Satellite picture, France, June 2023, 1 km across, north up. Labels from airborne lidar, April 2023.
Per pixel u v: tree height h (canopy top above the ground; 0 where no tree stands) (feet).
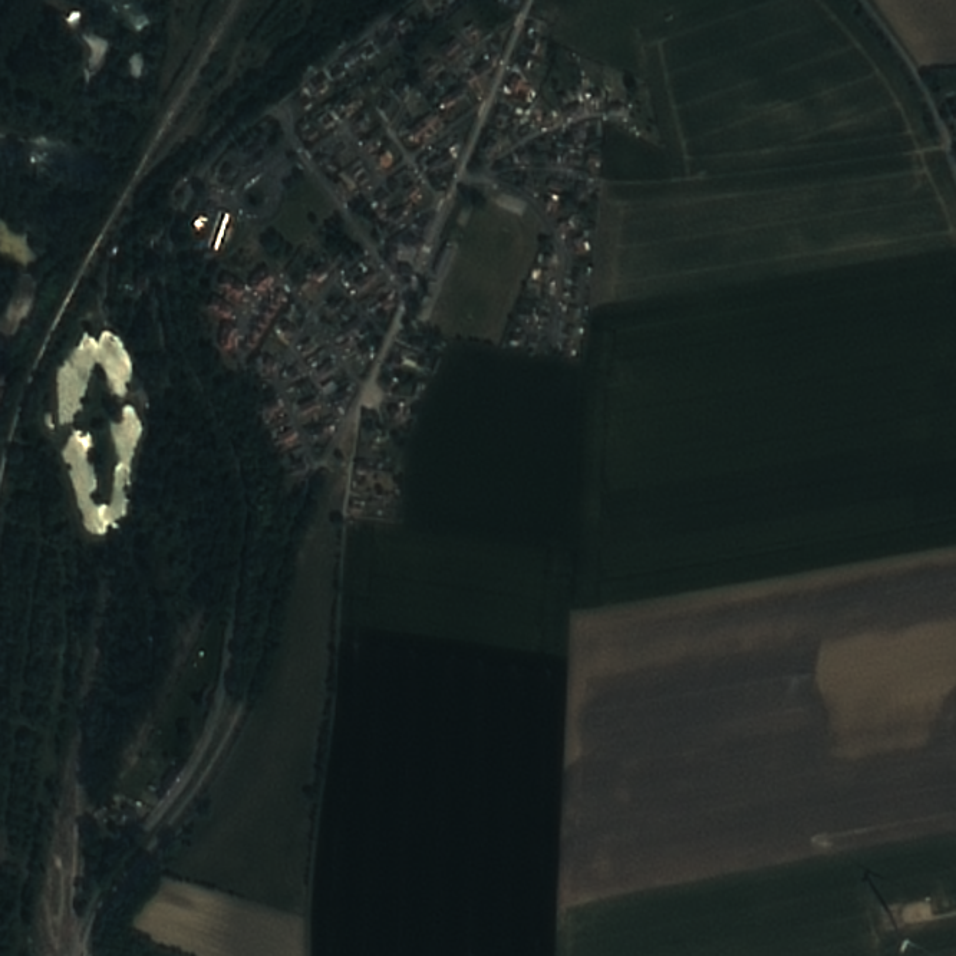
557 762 0
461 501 0
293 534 52
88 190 103
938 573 0
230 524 72
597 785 0
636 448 0
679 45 0
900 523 0
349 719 0
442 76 25
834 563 0
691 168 0
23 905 30
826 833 0
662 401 0
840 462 0
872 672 0
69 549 38
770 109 0
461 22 0
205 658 0
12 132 0
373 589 0
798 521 0
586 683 0
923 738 0
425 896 0
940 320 0
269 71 30
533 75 0
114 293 26
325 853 0
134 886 60
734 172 0
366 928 0
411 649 0
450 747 0
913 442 0
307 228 0
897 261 0
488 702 0
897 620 0
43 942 83
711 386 0
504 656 0
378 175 0
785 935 0
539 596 0
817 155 0
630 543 0
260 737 0
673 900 0
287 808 0
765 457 0
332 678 28
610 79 0
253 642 50
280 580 42
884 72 0
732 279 0
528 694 0
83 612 47
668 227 0
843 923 0
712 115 0
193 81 0
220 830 0
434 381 0
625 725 0
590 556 0
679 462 0
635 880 0
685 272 0
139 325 69
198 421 24
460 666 0
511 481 0
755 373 0
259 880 0
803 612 0
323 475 29
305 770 0
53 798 28
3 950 28
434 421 0
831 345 0
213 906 0
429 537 0
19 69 82
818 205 0
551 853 0
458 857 0
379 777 0
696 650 0
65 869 49
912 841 0
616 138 0
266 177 0
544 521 0
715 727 0
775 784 0
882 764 0
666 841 0
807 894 0
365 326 25
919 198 0
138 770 0
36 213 115
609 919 0
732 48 0
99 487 0
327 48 47
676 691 0
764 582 0
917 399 0
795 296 0
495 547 0
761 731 0
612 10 0
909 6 0
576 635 0
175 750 0
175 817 63
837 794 0
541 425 0
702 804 0
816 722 0
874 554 0
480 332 0
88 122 43
